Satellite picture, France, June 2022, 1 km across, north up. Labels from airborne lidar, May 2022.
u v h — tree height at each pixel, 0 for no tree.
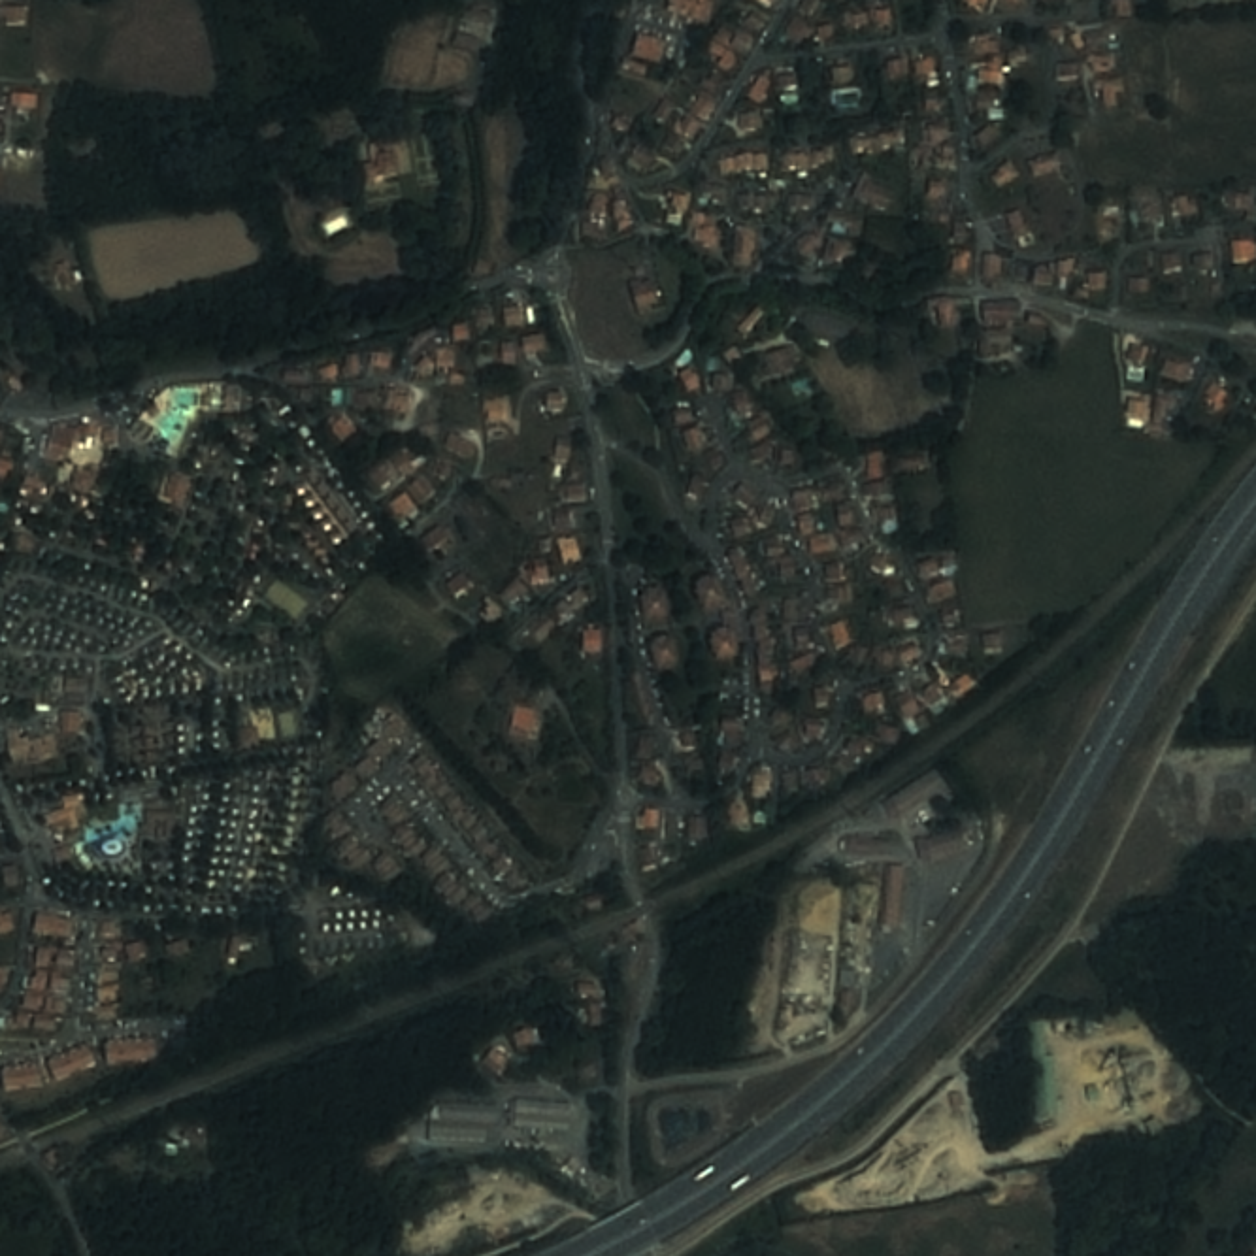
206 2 10
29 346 19
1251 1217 16
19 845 15
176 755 9
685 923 11
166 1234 13
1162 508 0
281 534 15
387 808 0
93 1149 8
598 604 8
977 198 0
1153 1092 0
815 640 8
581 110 19
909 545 12
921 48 6
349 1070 19
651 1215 0
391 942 17
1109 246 7
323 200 18
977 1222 0
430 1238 0
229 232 0
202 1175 7
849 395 0
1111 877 0
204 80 0
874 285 14
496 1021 12
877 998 0
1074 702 0
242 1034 22
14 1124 12
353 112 10
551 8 26
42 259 19
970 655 6
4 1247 0
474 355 9
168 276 0
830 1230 0
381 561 13
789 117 10
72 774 9
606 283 0
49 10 0
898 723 6
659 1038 20
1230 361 16
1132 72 0
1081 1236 25
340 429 0
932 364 8
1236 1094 18
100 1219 16
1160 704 0
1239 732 7
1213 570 0
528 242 19
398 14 22
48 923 0
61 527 14
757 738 0
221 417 10
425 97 10
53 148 6
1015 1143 16
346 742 9
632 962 0
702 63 6
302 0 12
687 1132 0
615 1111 10
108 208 12
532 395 0
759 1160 0
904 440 16
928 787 0
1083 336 0
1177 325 0
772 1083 0
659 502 0
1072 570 0
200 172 28
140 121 13
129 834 9
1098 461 0
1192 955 22
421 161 0
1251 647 0
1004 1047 7
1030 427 0
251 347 6
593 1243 0
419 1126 0
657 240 6
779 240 6
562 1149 0
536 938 13
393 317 24
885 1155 0
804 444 14
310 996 20
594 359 0
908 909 0
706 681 22
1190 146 0
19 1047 0
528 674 9
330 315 19
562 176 25
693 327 10
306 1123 22
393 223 12
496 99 13
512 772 7
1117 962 20
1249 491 0
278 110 14
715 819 8
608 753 7
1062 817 0
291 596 0
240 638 11
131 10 0
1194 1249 0
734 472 0
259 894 9
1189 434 9
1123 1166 19
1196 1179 23
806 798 7
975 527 0
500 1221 0
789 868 12
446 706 0
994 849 0
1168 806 0
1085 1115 0
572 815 0
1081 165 0
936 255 22
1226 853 19
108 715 15
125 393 9
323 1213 8
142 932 11
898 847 0
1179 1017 20
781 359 0
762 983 0
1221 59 0
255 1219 9
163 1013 8
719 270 10
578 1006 8
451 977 22
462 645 12
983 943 0
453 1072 25
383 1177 7
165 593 13
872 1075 0
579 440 15
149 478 11
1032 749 0
